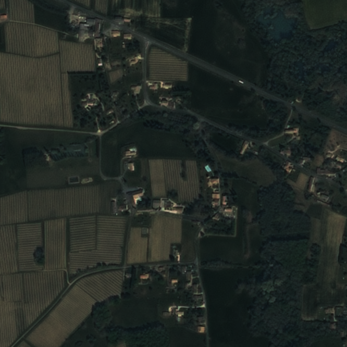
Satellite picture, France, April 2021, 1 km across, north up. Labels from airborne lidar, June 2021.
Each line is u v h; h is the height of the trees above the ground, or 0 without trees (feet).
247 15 54
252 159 52
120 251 0
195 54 0
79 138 0
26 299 0
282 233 32
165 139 0
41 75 0
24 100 0
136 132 0
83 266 0
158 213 0
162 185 0
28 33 0
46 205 0
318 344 0
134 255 0
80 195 0
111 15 0
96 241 0
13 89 0
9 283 0
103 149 0
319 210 0
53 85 0
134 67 31
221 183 32
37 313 0
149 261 0
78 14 0
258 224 25
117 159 0
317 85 0
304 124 49
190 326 58
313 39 62
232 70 0
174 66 0
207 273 0
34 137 0
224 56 0
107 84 29
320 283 0
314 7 0
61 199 0
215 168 46
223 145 0
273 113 63
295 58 52
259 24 33
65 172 0
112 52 20
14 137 0
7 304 0
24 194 0
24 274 0
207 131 50
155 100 0
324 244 0
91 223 0
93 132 0
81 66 0
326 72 58
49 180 0
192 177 0
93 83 21
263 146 19
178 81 0
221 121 0
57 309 0
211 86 0
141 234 0
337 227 0
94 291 0
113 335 71
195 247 0
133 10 0
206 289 0
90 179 0
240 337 0
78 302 0
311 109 38
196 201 35
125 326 0
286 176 31
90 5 0
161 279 64
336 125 0
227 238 0
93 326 0
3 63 0
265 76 0
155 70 0
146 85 0
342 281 0
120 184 0
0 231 0
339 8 0
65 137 0
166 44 0
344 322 59
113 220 0
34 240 0
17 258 0
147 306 0
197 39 0
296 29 83
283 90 20
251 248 0
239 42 37
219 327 0
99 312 76
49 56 0
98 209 0
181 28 0
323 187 39
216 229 31
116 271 0
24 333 0
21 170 0
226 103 0
